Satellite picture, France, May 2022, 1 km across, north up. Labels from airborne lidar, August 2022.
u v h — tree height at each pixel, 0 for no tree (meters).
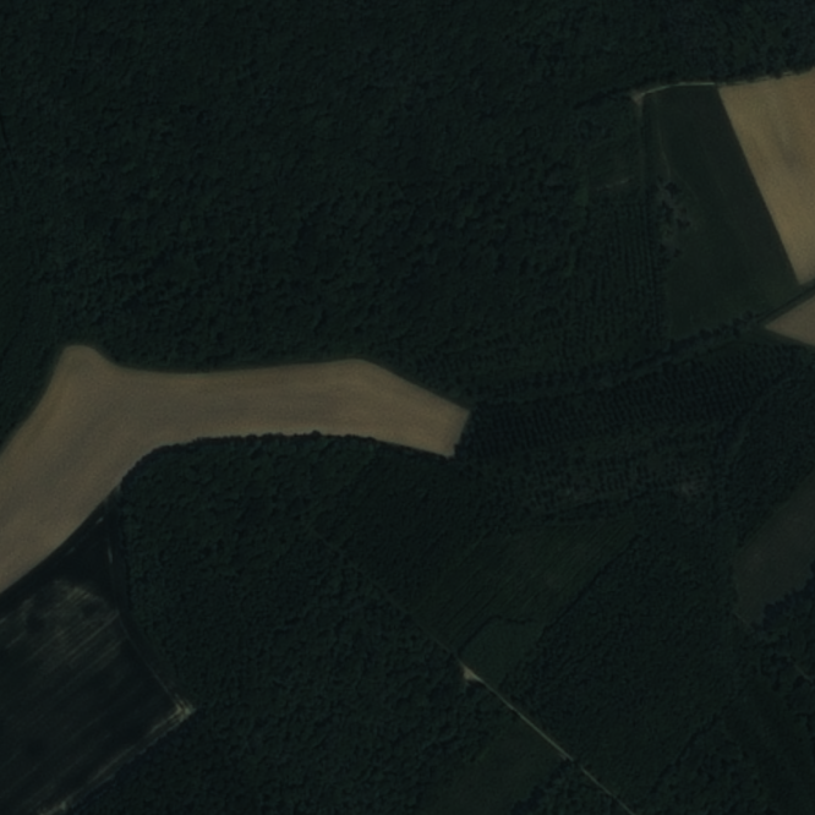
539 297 22
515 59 18
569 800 16
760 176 0
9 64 20
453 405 0
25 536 0
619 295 6
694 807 21
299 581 19
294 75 20
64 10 27
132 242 18
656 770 12
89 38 23
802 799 16
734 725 12
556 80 17
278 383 0
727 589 17
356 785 18
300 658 22
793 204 0
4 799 0
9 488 0
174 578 20
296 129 24
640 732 14
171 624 24
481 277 23
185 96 26
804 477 12
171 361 11
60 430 0
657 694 14
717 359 8
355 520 19
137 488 22
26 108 25
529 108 21
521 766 0
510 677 9
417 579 19
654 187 7
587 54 18
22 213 19
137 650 0
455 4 26
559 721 18
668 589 17
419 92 17
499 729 14
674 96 0
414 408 0
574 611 15
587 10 19
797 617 22
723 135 0
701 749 22
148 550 22
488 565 6
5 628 0
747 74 20
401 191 24
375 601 9
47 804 0
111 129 28
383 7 21
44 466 0
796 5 27
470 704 16
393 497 19
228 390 0
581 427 17
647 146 6
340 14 21
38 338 23
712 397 18
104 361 0
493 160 13
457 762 19
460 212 19
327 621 23
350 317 26
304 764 25
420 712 18
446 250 23
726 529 19
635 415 7
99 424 0
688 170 0
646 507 15
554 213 18
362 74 21
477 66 18
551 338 8
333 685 21
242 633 23
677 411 19
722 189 0
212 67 23
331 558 18
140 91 26
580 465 17
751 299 0
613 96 14
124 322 22
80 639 0
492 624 14
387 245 25
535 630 15
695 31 26
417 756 15
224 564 19
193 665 21
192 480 17
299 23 20
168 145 20
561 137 27
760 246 0
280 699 18
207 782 21
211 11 20
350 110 19
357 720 17
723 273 0
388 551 19
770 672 28
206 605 22
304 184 22
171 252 27
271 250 25
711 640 16
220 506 24
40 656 0
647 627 15
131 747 0
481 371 5
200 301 21
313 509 20
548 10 14
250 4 19
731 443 28
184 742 25
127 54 22
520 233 22
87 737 0
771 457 16
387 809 14
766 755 10
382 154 24
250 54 23
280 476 22
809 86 0
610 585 17
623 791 13
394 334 19
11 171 15
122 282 23
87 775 0
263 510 26
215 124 22
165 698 0
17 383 22
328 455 24
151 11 28
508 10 20
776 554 0
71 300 25
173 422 0
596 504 8
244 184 18
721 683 17
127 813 22
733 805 23
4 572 0
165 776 27
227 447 20
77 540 0
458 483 20
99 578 0
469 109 27
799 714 12
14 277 13
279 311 21
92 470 0
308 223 23
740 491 15
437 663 19
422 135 25
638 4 20
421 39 24
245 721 21
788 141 0
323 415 0
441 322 22
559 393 18
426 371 22
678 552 16
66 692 0
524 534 8
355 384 0
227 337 26
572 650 14
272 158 23
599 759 13
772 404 17
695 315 0
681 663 15
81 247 28
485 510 17
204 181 24
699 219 0
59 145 20
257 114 23
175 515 27
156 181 28
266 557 21
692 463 6
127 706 0
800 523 0
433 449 0
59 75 18
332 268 27
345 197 14
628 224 8
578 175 16
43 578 0
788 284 0
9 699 0
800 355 15
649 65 8
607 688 17
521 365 6
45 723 0
